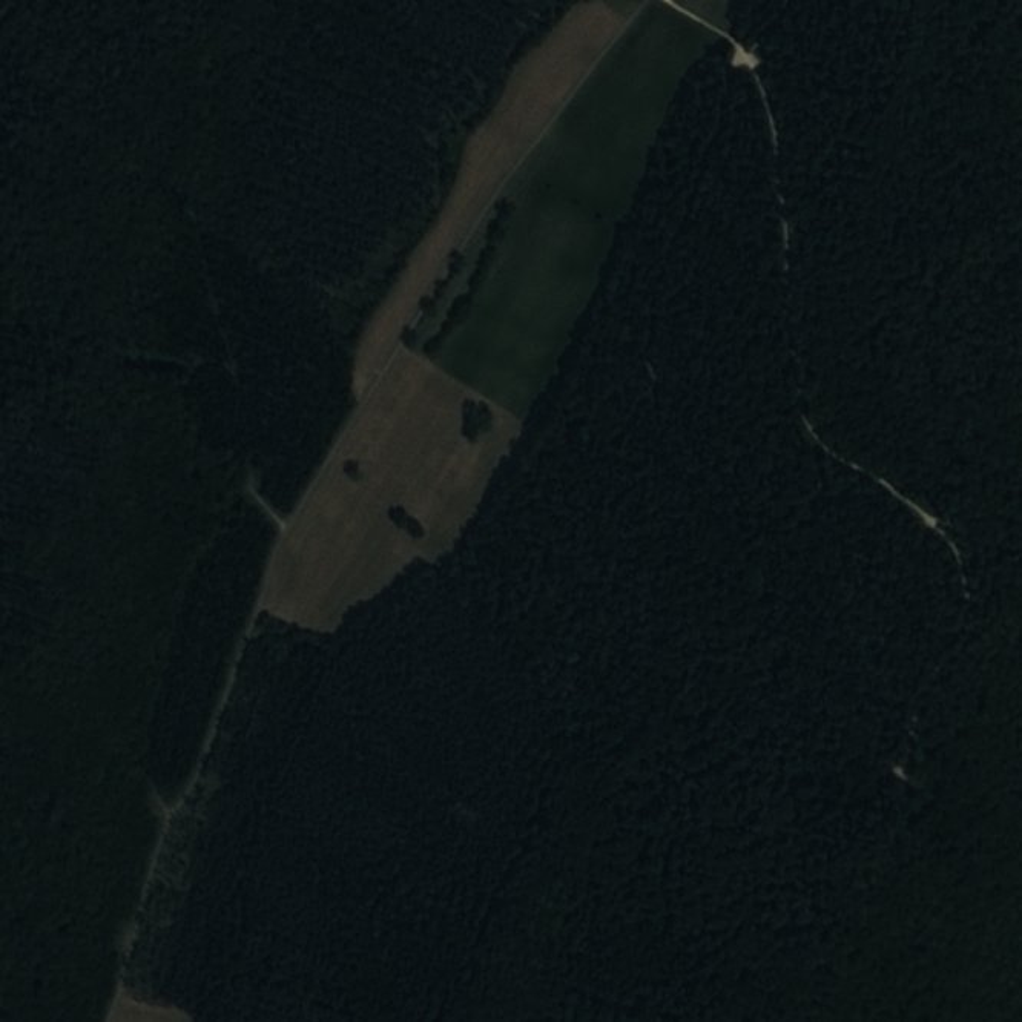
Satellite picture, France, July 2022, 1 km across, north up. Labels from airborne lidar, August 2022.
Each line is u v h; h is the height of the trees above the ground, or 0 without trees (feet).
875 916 73
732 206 72
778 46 61
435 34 69
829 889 75
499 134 0
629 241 63
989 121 63
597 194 0
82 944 57
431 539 0
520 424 0
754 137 55
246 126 60
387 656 77
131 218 54
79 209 54
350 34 81
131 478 59
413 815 58
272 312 30
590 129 0
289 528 0
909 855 70
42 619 72
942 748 63
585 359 61
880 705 70
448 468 0
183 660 23
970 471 59
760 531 73
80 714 59
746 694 65
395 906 56
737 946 80
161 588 53
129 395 52
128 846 31
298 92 48
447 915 62
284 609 0
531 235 0
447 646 69
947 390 57
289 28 58
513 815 66
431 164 81
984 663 67
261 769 46
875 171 67
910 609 53
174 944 21
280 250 52
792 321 43
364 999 52
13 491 61
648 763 85
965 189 57
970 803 84
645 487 67
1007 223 62
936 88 51
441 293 34
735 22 71
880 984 88
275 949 60
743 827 69
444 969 67
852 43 56
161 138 48
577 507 58
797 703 48
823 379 57
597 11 0
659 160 75
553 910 57
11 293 57
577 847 69
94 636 54
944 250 55
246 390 30
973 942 59
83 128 48
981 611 60
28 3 52
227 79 51
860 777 79
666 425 52
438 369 0
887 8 52
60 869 57
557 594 73
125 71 41
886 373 64
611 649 54
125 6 57
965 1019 60
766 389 50
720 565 59
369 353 0
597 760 75
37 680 59
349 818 67
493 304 0
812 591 56
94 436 59
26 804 63
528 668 55
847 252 73
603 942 32
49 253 41
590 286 0
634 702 68
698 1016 70
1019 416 60
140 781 27
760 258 93
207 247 42
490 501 50
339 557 0
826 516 73
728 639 55
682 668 50
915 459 56
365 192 58
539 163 0
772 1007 81
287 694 46
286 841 75
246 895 74
